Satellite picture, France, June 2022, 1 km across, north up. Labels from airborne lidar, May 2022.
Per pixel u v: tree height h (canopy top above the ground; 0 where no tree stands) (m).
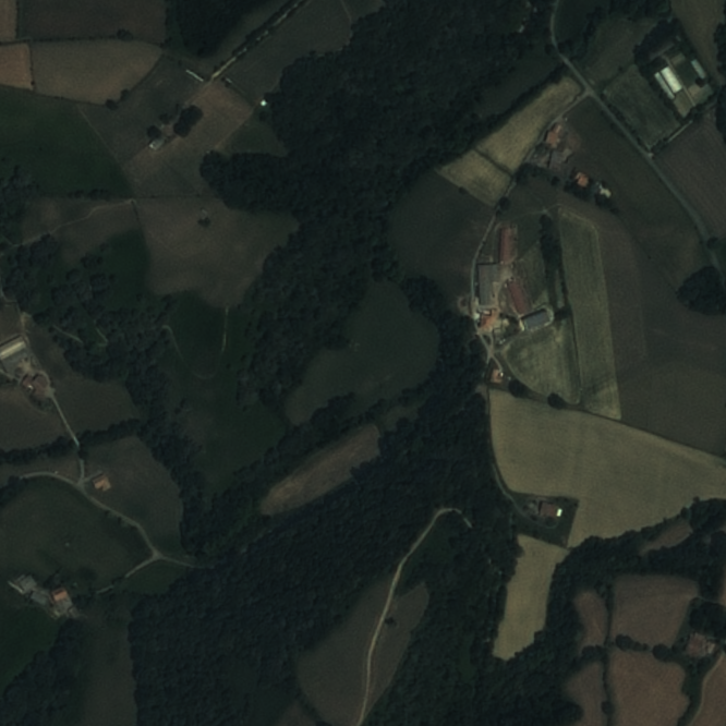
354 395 12
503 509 22
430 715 25
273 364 19
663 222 0
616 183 0
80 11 0
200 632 13
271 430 0
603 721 0
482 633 15
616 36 0
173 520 0
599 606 0
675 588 0
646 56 17
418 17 17
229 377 0
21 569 0
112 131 0
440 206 0
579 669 12
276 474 22
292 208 10
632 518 0
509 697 27
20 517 0
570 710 20
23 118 0
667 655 16
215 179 16
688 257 0
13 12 0
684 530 0
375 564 13
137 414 0
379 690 0
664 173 0
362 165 25
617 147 0
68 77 0
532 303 0
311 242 18
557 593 16
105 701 0
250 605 13
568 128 0
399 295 0
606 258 0
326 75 27
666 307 0
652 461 0
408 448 19
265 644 17
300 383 10
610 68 0
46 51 0
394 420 0
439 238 0
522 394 18
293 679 13
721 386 0
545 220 9
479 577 24
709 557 23
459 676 17
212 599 23
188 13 15
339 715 0
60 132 0
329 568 16
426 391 16
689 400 0
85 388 0
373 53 17
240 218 0
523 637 0
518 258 0
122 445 0
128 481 0
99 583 0
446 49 15
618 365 0
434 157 13
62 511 0
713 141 0
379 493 21
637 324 0
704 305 24
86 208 0
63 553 0
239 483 7
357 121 25
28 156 0
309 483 0
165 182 0
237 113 0
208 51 16
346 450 0
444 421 16
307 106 27
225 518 27
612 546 13
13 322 0
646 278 0
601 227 0
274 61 0
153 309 8
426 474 21
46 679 25
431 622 8
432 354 0
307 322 26
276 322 18
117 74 0
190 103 0
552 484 0
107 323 10
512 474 0
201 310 0
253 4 16
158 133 16
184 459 15
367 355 0
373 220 26
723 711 0
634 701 0
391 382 0
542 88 8
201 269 0
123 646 0
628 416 0
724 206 0
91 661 0
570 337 0
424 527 8
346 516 19
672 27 27
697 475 0
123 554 0
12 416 0
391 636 0
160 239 0
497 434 0
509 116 6
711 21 0
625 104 0
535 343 0
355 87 25
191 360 0
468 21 26
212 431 0
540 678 22
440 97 29
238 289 0
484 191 0
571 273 0
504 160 0
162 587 0
